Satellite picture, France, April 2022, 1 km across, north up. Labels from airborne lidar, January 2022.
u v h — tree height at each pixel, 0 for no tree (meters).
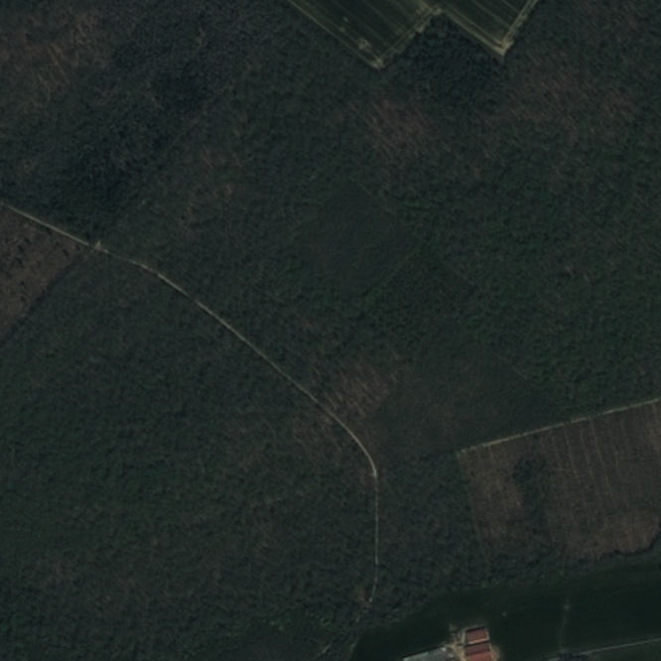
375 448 15
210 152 29
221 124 24
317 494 21
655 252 24
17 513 21
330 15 0
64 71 21
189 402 21
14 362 23
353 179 19
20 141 19
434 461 16
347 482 20
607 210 24
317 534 21
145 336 24
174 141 22
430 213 20
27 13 23
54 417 22
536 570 17
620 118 22
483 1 0
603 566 17
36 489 26
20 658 22
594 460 0
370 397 20
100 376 28
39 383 24
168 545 21
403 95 26
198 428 21
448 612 0
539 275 24
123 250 19
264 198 24
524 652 0
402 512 22
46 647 17
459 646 0
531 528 0
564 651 0
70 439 22
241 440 23
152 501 22
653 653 0
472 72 25
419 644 0
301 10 0
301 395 22
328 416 24
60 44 25
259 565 18
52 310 22
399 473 18
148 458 22
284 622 7
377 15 0
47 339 23
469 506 22
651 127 26
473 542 22
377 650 0
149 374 24
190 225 22
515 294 20
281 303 22
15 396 23
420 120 26
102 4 12
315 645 6
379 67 0
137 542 18
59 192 14
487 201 23
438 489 20
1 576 22
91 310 20
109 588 16
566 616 0
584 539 0
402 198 23
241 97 22
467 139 21
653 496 0
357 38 0
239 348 21
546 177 21
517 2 0
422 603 24
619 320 22
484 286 19
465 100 25
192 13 19
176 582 19
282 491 22
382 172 24
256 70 21
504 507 0
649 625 0
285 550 24
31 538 20
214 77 14
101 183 23
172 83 13
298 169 19
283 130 21
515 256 21
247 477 23
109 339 27
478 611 0
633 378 23
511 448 0
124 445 24
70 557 21
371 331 24
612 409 17
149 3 13
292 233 22
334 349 25
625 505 0
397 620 19
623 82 26
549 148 22
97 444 23
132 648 21
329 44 21
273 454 20
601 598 0
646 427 0
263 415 23
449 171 24
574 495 0
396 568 25
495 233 16
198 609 23
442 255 18
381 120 26
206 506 23
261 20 21
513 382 15
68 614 23
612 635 0
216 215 23
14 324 0
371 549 21
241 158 28
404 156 25
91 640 28
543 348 22
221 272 20
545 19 21
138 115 18
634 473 0
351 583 24
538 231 21
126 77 12
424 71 24
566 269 26
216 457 22
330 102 25
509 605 11
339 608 14
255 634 8
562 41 26
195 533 21
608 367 25
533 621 0
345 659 13
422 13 0
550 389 21
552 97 22
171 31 18
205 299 21
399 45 0
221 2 14
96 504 22
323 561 19
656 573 0
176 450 22
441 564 26
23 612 26
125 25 12
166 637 23
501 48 0
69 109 24
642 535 0
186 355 24
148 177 20
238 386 22
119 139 19
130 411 21
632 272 22
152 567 22
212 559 22
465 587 24
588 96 25
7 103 20
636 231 23
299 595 28
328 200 19
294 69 26
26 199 17
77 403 24
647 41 29
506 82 18
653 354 23
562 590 0
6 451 24
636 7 28
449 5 0
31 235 0
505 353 20
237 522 19
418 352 6
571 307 26
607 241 22
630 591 0
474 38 0
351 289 0
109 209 21
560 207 22
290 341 24
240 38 13
